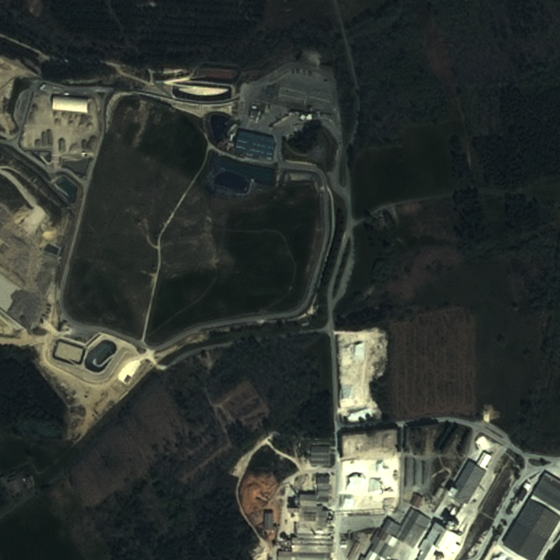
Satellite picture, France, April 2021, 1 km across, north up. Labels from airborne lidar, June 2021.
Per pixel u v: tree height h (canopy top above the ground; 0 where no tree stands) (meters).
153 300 0
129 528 11
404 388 0
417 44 15
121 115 0
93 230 0
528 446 9
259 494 0
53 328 0
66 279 0
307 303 0
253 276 0
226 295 0
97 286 0
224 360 8
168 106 0
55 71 15
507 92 17
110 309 0
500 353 0
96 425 0
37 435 17
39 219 0
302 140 16
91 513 12
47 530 0
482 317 0
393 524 0
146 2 10
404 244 0
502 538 0
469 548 0
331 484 0
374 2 0
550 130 20
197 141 0
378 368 0
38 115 0
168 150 0
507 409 0
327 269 11
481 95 14
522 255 10
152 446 23
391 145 18
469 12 17
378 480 0
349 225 0
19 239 0
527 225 21
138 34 12
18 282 0
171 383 10
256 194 0
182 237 0
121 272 0
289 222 0
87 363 0
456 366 0
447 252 0
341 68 16
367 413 0
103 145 0
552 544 0
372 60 20
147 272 0
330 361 0
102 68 16
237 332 15
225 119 0
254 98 0
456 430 11
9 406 17
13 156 0
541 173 18
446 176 0
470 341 0
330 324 0
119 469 25
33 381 14
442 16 16
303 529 0
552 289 13
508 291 0
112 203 0
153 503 15
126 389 0
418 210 0
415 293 0
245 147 0
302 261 0
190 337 0
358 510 0
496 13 16
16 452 0
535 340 0
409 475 0
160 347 0
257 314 0
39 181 0
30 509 0
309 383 19
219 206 0
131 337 0
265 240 0
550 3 19
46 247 0
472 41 16
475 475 0
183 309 0
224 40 15
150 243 0
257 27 17
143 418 22
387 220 18
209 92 0
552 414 0
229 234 0
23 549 0
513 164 15
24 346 0
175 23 8
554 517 0
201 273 0
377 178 0
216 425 21
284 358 12
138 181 0
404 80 18
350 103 19
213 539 15
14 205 0
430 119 14
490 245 9
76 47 11
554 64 16
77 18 13
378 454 0
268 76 0
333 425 12
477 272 0
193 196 0
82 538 7
